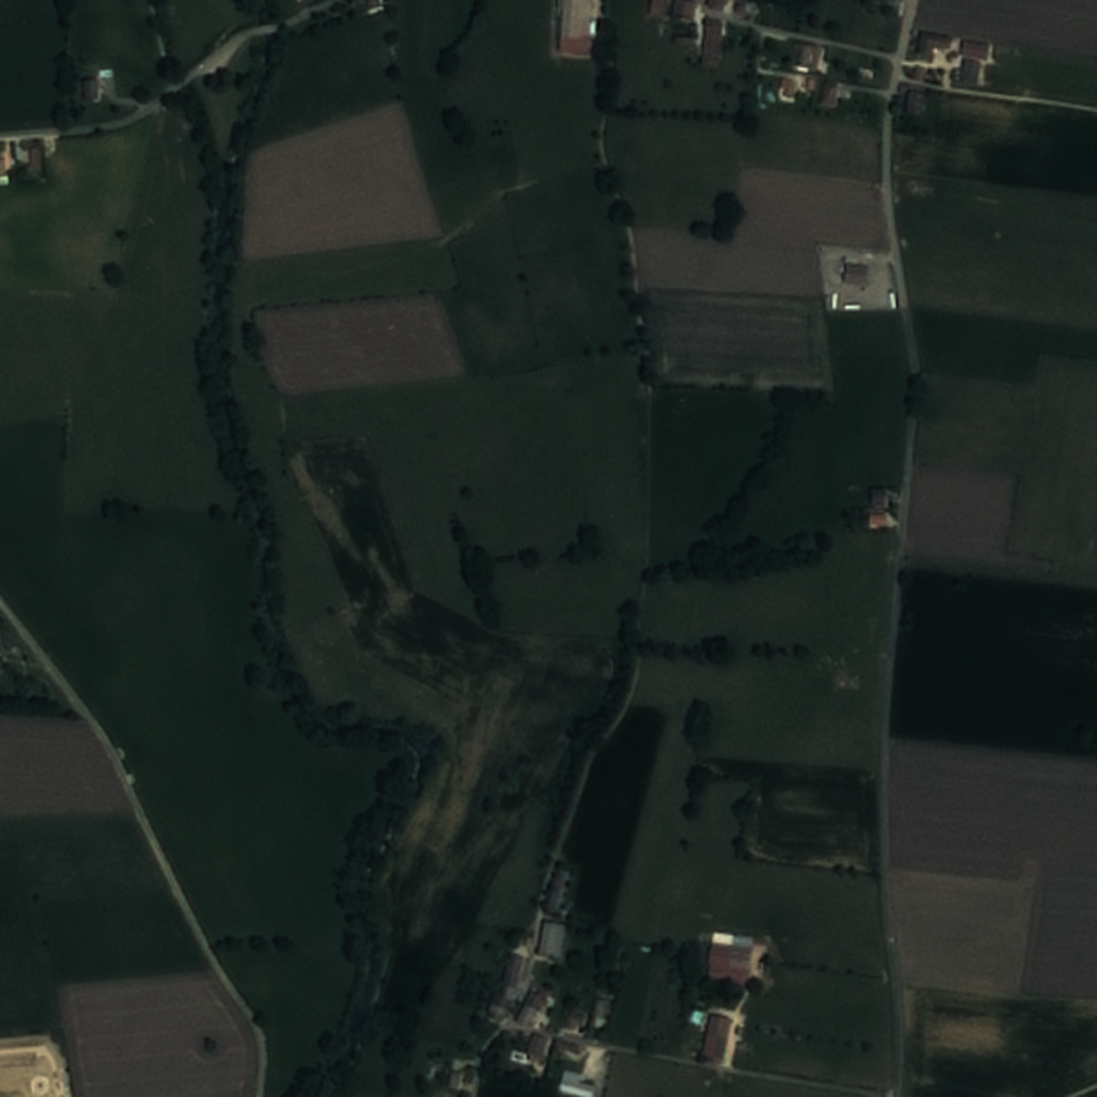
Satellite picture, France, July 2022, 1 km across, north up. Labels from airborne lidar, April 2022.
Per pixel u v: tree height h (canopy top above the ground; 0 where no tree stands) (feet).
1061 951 0
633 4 0
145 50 0
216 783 0
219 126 0
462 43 36
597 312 0
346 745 72
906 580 50
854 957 0
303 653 0
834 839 0
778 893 0
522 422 0
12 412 0
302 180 0
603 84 51
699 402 0
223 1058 0
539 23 0
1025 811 0
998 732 0
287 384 0
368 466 0
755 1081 0
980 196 0
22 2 0
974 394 0
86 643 0
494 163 0
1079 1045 0
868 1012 0
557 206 0
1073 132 0
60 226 0
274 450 0
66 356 0
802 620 0
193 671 0
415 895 0
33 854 0
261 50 28
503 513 0
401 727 38
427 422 0
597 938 51
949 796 0
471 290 0
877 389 0
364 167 0
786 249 0
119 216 0
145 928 0
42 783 0
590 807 0
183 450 0
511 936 32
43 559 0
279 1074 0
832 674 0
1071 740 0
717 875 0
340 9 30
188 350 0
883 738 0
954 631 0
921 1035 0
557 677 0
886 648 0
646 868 0
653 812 0
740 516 66
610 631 0
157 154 0
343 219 0
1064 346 0
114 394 0
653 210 0
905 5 0
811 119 0
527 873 0
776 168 0
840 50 0
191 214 0
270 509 52
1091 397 0
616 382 0
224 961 0
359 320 0
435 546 0
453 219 0
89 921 0
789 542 26
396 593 0
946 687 0
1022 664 0
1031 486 0
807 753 0
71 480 0
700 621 0
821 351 0
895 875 0
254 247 0
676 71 0
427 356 0
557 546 0
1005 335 0
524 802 0
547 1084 39
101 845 0
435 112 0
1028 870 0
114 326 0
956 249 0
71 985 0
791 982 0
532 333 0
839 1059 0
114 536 0
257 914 0
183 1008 0
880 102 0
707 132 0
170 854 0
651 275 0
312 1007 0
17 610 0
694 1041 0
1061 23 0
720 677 0
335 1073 46
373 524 0
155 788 0
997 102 0
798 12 27
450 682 0
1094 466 0
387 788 91
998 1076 0
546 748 0
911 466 0
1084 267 0
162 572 0
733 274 0
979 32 0
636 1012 0
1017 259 0
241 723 0
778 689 0
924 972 0
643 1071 0
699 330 0
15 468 0
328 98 0
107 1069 0
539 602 0
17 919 0
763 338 0
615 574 0
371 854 33
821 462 0
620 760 0
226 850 0
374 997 0
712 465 0
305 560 0
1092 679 0
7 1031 0
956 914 0
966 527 0
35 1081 0
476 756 0
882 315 0
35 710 49
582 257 0
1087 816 0
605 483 0
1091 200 0
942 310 0
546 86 0
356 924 54
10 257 0
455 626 0
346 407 0
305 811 0
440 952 0
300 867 0
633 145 0
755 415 0
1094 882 0
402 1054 87
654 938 0
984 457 0
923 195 0
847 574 0
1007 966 0
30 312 0
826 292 0
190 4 0
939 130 0
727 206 72
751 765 0
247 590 0
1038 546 0
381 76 0
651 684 0
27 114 0
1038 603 0
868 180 0
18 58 0
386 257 0
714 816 0
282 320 0
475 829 0
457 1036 0
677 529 0
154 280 0
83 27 0
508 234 0
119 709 0
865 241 0
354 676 0
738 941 0
